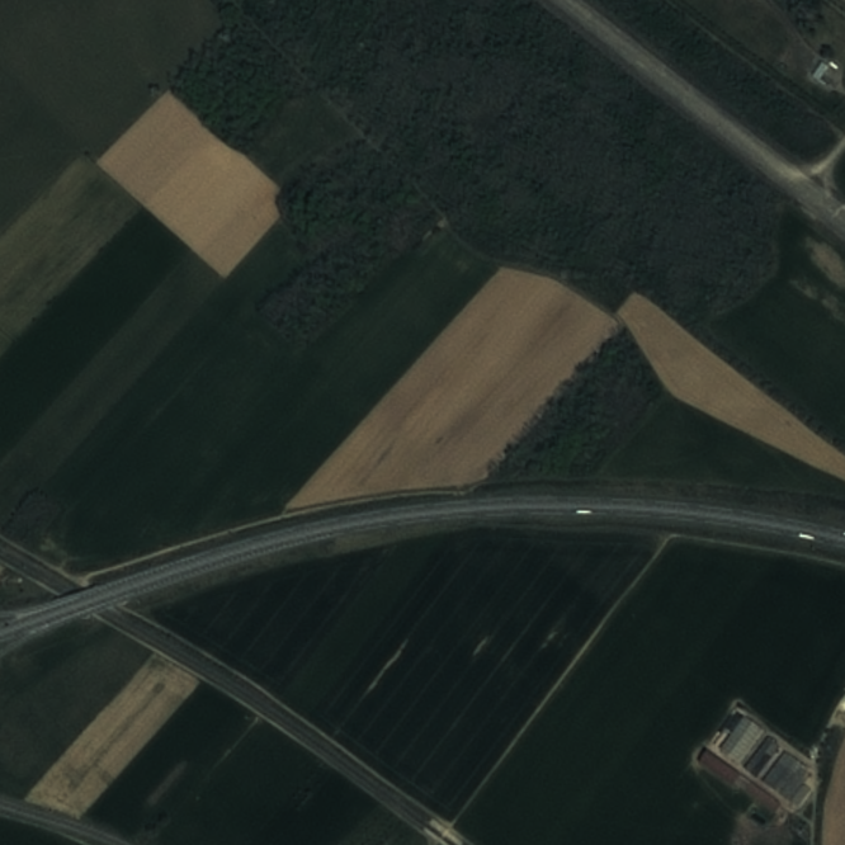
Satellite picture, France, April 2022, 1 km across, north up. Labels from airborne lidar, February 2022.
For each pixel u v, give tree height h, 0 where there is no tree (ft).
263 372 0
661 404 0
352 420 0
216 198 0
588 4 0
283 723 0
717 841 0
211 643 0
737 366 38
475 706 0
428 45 30
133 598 0
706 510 0
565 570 0
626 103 0
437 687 0
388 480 0
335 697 0
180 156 0
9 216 0
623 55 0
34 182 0
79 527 0
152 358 0
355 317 0
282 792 0
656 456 0
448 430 0
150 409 0
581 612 0
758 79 27
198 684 0
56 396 0
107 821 0
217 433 0
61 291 0
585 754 0
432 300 0
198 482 0
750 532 0
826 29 0
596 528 0
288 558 0
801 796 0
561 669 0
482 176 30
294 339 53
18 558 0
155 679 0
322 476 0
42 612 0
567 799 0
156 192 0
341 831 0
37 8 0
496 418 0
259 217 0
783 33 0
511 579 0
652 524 0
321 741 0
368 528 0
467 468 0
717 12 0
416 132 22
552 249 37
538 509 0
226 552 0
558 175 46
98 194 0
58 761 0
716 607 0
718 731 0
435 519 0
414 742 0
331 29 22
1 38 0
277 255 0
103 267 0
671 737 0
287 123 0
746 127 0
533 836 0
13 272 0
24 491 0
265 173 0
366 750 0
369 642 0
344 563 0
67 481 0
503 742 0
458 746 0
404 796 0
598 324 0
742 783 0
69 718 0
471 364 0
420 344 0
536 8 43
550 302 0
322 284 72
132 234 0
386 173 53
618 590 0
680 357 0
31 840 0
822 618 0
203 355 0
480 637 0
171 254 0
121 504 0
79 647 0
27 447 0
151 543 0
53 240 0
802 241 0
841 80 0
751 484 0
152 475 0
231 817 0
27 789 0
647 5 38
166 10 0
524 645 0
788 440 0
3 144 0
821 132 28
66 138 0
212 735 0
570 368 0
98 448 0
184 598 0
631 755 0
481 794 0
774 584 0
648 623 0
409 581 0
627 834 0
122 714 0
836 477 0
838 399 0
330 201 54
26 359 0
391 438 0
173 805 0
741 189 27
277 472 0
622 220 41
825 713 0
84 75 0
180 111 0
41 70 0
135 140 0
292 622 0
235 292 0
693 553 0
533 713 0
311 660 0
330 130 0
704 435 0
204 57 47
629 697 0
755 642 0
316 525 0
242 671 0
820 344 0
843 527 0
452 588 0
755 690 0
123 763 0
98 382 0
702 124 0
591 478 0
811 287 0
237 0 28
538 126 0
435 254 0
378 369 0
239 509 0
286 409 0
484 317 0
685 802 0
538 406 0
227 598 0
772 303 0
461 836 0
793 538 0
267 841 0
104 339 0
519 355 0
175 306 0
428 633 0
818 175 0
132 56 0
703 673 0
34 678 0
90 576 0
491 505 0
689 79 0
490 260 0
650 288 25
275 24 39
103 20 0
